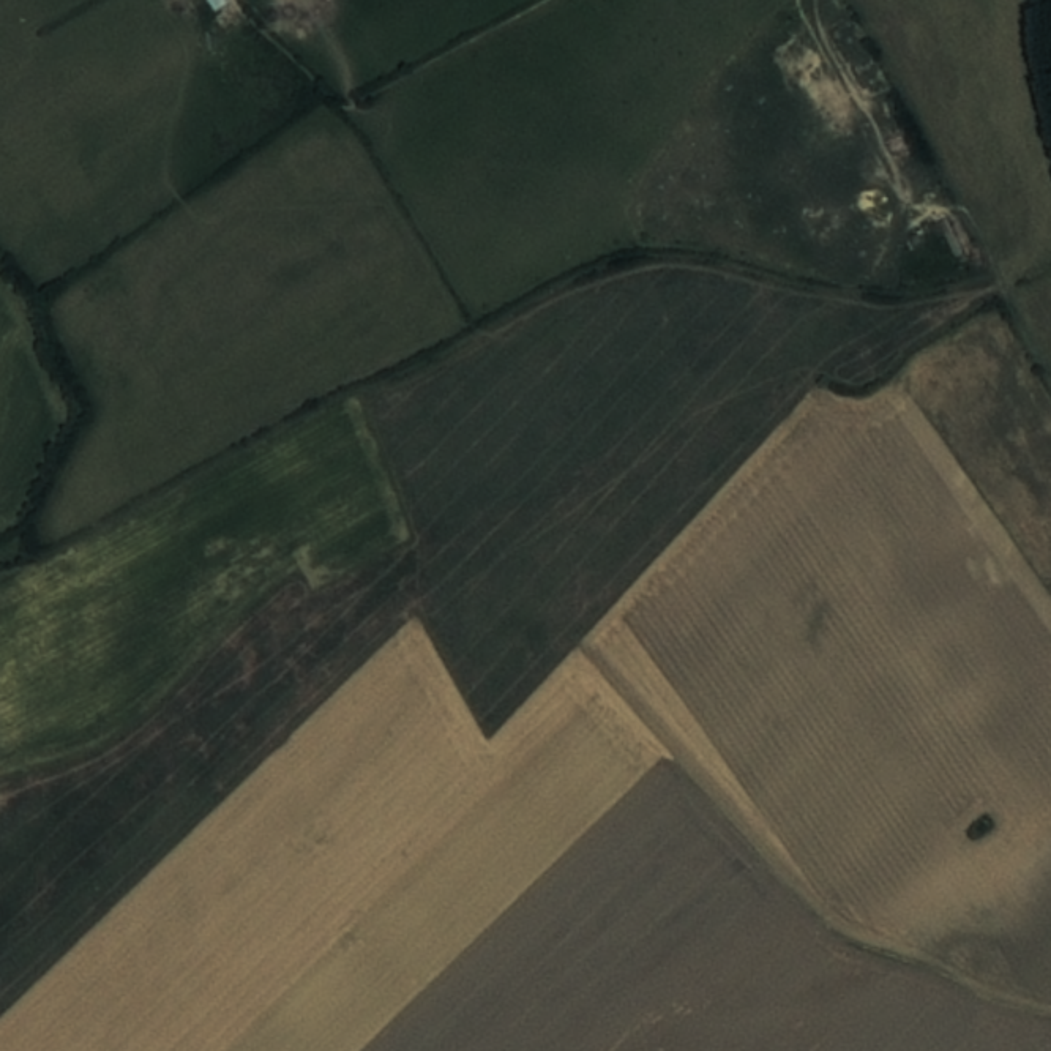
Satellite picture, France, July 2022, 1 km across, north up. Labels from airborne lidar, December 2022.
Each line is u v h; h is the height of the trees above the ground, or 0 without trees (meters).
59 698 0
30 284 13
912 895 0
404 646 0
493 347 0
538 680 0
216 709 0
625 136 0
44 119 0
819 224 0
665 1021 0
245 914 0
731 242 0
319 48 0
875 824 0
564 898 0
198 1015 0
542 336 0
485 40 0
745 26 0
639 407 0
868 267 0
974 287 0
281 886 0
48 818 0
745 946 0
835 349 0
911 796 0
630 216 0
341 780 0
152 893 0
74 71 0
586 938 0
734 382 0
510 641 0
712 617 0
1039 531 0
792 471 0
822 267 0
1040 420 0
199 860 0
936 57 0
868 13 0
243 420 0
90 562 0
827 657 0
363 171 0
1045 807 0
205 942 0
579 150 0
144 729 0
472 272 0
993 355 0
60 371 8
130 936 0
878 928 0
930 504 0
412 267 0
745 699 0
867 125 0
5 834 0
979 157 0
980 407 0
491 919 0
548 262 0
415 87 0
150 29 0
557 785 0
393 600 0
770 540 0
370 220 0
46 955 0
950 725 0
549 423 0
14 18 0
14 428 0
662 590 0
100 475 0
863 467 0
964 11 0
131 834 0
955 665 0
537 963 0
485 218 0
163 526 0
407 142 0
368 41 0
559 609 0
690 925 0
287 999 0
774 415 0
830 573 0
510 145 0
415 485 0
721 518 0
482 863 0
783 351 0
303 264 0
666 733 0
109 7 0
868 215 0
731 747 0
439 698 0
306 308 0
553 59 0
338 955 0
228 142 0
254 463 0
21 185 0
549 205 0
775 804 0
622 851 0
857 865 0
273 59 0
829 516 0
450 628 0
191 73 0
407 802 0
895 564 0
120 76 0
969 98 0
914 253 0
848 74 0
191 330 0
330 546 0
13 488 0
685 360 0
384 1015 0
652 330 0
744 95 0
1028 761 0
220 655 0
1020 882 0
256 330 0
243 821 0
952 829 0
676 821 0
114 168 0
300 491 0
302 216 0
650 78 0
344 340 0
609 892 0
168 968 0
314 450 0
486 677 0
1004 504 0
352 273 0
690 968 0
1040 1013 0
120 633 0
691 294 0
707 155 0
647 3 0
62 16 0
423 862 0
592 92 0
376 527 0
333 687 0
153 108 0
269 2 0
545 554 0
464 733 0
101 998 0
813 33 0
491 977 0
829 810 0
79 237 0
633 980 0
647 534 0
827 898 0
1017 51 0
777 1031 0
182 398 0
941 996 0
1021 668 0
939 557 0
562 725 0
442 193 0
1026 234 0
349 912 0
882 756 0
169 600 0
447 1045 0
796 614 0
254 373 0
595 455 0
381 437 0
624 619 0
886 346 0
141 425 0
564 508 0
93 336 0
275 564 0
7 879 0
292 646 0
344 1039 0
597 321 0
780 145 0
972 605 0
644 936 0
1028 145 0
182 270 0
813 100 0
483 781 0
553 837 0
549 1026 0
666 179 0
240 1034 0
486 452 0
